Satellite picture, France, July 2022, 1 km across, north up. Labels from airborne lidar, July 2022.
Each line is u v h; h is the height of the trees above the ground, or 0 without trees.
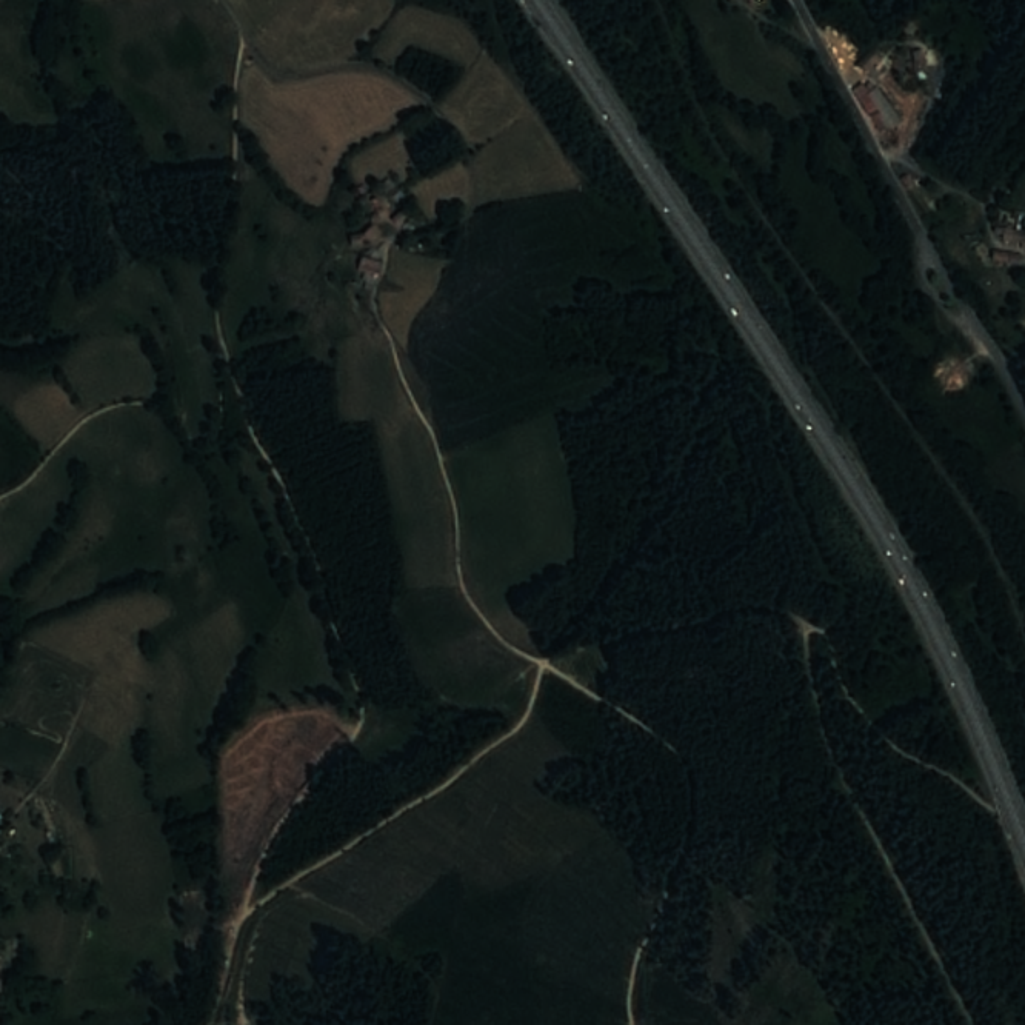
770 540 22
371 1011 40
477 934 0
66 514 22
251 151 17
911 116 0
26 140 20
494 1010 0
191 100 0
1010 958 13
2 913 8
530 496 0
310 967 0
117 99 7
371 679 17
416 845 0
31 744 0
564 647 36
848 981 14
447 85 10
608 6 29
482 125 0
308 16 0
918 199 0
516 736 0
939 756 17
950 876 32
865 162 18
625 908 0
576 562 13
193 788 0
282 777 0
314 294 0
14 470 0
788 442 21
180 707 0
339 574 10
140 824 0
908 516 29
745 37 0
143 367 0
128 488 0
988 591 17
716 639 33
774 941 19
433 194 0
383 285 0
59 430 0
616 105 0
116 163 14
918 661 17
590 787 13
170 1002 31
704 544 18
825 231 0
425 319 0
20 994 18
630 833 17
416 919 0
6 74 0
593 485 19
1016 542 16
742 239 19
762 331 0
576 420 25
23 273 12
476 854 0
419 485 0
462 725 20
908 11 27
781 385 0
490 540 0
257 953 0
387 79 0
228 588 0
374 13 0
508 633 0
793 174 0
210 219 27
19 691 0
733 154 14
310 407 17
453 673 0
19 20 0
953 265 9
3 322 9
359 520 12
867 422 22
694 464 24
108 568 0
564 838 0
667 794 14
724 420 14
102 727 0
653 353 11
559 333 11
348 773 27
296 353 7
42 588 0
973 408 0
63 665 0
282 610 0
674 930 27
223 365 17
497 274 0
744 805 19
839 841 17
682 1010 0
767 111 15
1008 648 12
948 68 7
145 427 0
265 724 0
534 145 0
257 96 0
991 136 31
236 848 0
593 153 17
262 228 6
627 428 20
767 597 24
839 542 7
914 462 26
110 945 0
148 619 0
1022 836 0
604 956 0
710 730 21
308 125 0
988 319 6
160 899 0
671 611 32
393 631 17
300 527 9
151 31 0
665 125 17
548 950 0
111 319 0
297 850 10
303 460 10
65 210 24
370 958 27
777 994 0
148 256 13
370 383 0
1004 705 17
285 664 0
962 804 13
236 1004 0
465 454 0
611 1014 0
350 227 10
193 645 0
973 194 8
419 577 0
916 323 15
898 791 21
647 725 18
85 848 0
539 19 0
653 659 38
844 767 19
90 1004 0
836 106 21
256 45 0
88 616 0
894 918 30
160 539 0
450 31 0
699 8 0
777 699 18
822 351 20
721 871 28
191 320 0
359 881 0
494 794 0
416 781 21
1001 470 0
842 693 21
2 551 0
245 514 0
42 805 0
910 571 0
